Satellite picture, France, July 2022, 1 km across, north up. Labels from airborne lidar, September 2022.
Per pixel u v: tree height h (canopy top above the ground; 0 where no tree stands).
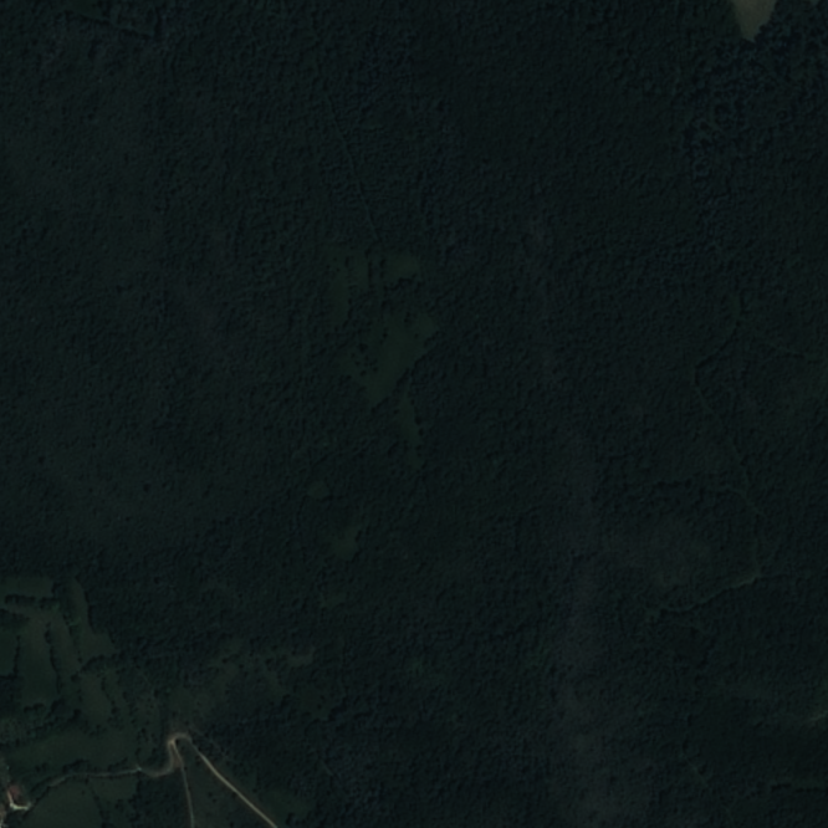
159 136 11
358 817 19
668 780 11
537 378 7
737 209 22
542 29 16
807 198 22
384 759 14
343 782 18
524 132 18
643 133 15
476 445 15
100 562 7
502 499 14
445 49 18
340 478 8
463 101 19
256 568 10
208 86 10
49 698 0
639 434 6
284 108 8
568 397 13
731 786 13
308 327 11
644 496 12
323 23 18
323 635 10
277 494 7
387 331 5
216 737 13
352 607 12
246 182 13
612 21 22
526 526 15
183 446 12
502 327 9
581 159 18
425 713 15
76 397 7
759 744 12
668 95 20
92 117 12
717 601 10
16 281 10
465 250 18
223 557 14
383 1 15
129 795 0
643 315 13
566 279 15
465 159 17
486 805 13
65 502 7
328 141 10
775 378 13
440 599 12
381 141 13
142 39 19
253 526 9
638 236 12
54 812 0
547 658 10
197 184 6
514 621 18
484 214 14
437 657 13
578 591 6
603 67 17
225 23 19
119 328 9
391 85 19
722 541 13
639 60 19
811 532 11
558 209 9
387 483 10
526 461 12
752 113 29
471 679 10
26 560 12
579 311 12
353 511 12
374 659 11
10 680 14
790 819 15
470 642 15
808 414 9
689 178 22
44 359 7
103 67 5
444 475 11
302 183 8
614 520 12
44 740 17
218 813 0
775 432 7
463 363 15
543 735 6
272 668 11
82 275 11
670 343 13
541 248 9
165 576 14
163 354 7
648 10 16
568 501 8
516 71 14
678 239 10
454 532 13
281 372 6
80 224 6
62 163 6
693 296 14
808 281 10
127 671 10
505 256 12
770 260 15
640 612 19
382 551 14
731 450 11
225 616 10
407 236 12
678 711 17
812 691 9
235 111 14
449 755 15
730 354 19
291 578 10
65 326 7
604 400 9
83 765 15
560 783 6
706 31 21
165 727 6
